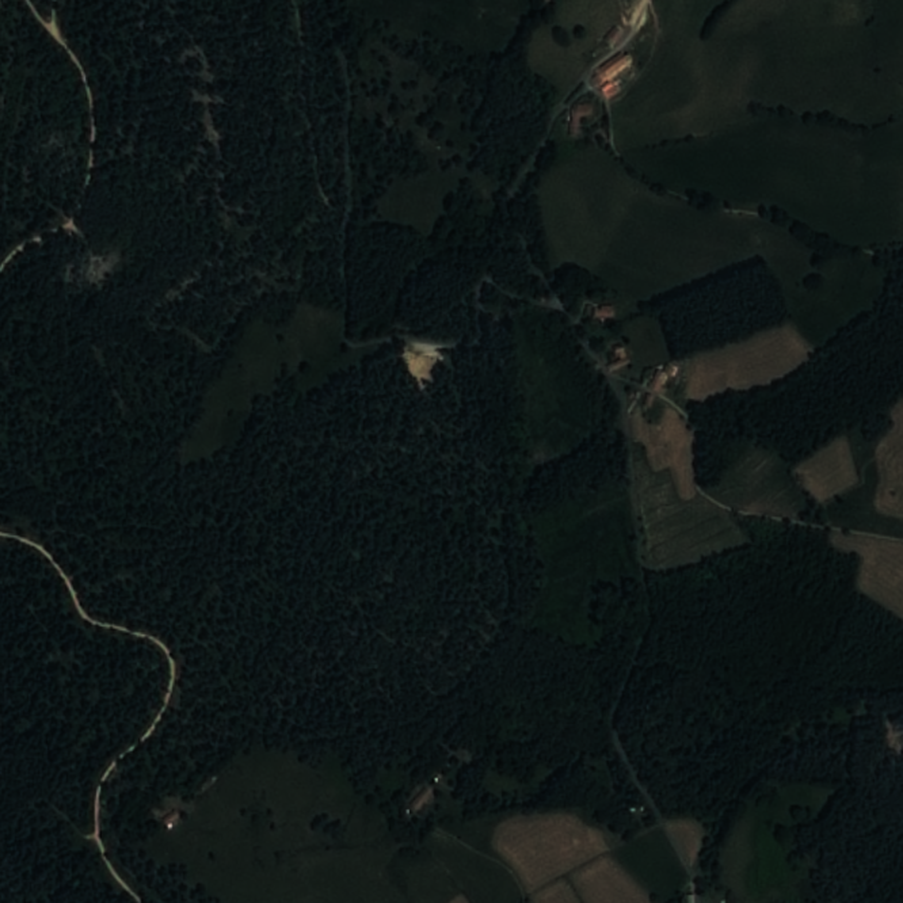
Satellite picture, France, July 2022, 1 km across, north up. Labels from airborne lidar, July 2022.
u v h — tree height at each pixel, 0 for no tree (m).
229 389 0
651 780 15
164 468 13
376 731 19
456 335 18
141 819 11
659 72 0
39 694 16
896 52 0
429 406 19
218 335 10
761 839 0
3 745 20
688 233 0
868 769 20
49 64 11
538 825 0
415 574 15
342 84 16
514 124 21
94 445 18
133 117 20
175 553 13
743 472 0
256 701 18
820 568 10
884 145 0
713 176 0
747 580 17
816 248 19
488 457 17
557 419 0
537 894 0
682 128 0
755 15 0
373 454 21
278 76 14
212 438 0
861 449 0
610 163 0
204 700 15
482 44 0
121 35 10
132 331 18
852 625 16
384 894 0
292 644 12
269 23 15
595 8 0
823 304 0
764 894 0
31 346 21
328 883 0
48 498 14
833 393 16
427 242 19
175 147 16
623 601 20
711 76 0
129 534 14
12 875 16
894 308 17
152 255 9
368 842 0
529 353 0
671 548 0
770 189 0
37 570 16
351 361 0
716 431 25
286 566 15
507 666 14
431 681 13
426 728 17
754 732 23
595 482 20
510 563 16
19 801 18
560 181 0
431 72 18
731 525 0
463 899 0
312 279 21
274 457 15
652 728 18
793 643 10
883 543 0
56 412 19
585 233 0
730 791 12
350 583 8
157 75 19
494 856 0
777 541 11
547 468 15
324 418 18
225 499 15
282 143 16
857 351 14
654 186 12
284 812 0
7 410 10
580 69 0
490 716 14
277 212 7
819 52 0
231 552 17
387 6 0
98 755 9
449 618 12
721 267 0
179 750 12
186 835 0
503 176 13
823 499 0
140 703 9
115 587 15
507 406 22
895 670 6
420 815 12
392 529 9
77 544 8
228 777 0
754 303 28
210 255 19
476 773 25
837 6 0
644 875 0
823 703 18
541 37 0
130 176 12
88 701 14
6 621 14
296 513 21
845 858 20
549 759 20
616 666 20
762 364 0
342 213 17
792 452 19
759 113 25
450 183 0
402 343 16
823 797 0
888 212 0
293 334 0
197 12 22
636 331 0
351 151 9
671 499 0
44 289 13
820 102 0
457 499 11
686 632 16
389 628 13
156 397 16
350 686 18
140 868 15
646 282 0
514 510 19
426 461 10
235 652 18
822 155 0
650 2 0
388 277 27
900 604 0
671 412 0
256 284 19
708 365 0
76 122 7
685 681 18
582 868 0
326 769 0
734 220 0
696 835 0
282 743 15
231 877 0
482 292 8
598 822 9
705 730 15
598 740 11
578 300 17
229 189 19
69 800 13
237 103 21
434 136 14
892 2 0
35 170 14
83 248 11
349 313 17
